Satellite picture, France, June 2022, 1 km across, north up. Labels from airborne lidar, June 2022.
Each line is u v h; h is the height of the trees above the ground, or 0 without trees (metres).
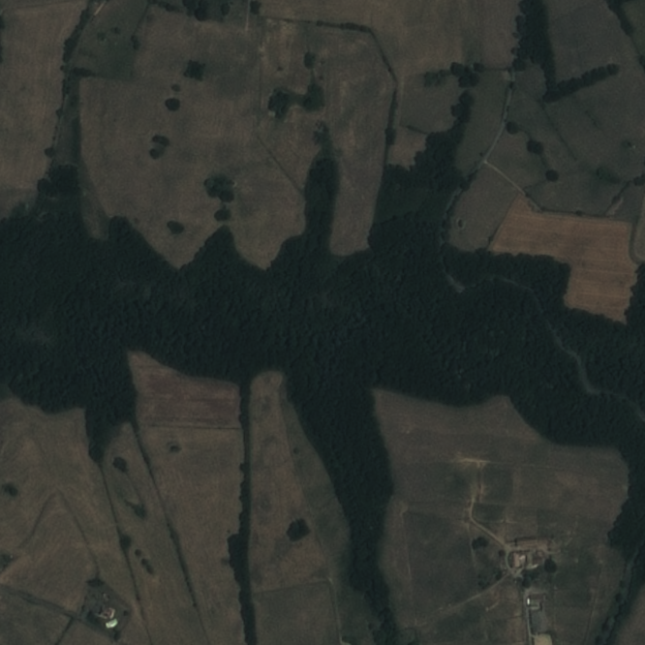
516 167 0
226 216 8
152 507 0
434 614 0
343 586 0
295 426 0
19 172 0
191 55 0
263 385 0
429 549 0
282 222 0
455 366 28
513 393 14
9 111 0
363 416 14
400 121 0
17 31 0
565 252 0
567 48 0
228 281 20
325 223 19
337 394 21
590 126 0
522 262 17
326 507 0
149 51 0
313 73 0
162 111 0
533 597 0
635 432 12
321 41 0
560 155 0
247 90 0
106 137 0
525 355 20
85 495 0
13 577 0
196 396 0
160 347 19
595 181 0
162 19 0
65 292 19
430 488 0
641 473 15
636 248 0
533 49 19
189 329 25
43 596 0
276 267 16
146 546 0
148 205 0
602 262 0
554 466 0
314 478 0
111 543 0
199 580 0
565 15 0
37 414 0
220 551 0
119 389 18
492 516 0
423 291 18
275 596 0
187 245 0
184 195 0
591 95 0
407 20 0
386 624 16
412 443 0
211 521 0
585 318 21
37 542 0
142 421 0
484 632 0
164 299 10
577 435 18
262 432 0
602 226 0
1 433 0
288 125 0
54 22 0
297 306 16
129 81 0
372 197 0
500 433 0
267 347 16
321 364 21
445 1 0
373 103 0
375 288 19
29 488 0
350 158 0
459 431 0
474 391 21
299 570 0
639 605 0
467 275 14
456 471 0
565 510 0
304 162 0
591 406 17
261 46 0
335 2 0
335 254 0
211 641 0
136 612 0
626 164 0
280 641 0
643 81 0
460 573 0
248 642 12
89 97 0
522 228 0
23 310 15
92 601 0
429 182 16
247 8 0
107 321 14
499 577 6
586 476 0
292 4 0
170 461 0
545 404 21
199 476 0
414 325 23
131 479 0
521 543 0
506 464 0
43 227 15
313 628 0
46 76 0
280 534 0
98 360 16
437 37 0
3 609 0
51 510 0
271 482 0
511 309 16
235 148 0
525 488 0
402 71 0
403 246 24
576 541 0
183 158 0
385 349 20
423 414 0
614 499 0
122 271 10
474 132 0
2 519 0
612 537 14
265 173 0
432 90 0
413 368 26
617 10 10
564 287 18
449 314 14
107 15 0
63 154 0
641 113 0
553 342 20
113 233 7
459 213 0
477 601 0
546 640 0
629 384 20
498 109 0
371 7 0
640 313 14
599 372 12
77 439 0
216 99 0
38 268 13
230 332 27
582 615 0
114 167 0
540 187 0
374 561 17
